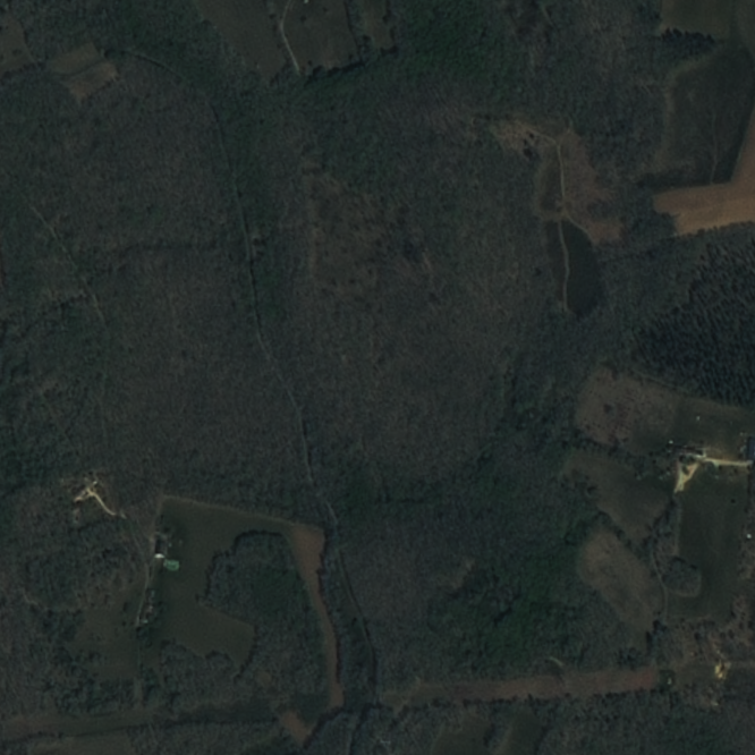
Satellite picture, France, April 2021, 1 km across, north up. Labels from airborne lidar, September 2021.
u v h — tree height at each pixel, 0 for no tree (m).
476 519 12
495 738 18
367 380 12
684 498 0
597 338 19
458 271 17
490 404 16
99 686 15
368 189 19
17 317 10
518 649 15
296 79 17
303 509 18
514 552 19
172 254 13
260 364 15
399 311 15
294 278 13
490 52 19
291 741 12
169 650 16
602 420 0
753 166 0
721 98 0
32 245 16
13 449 12
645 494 0
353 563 16
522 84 16
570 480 0
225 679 17
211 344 15
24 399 13
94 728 0
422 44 25
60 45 18
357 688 13
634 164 14
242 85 19
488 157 15
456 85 22
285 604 16
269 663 15
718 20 0
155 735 11
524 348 14
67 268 10
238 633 0
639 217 18
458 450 13
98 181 12
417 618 15
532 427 8
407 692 12
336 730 18
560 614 11
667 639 17
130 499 16
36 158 11
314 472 17
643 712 14
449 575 17
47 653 12
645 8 14
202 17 17
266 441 11
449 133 19
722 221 0
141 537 15
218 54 18
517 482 16
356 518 17
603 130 8
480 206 15
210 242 14
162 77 12
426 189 20
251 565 20
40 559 11
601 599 15
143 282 15
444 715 17
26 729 0
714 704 12
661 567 14
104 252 8
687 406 0
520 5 20
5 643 12
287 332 13
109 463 14
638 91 13
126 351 14
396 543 13
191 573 0
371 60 20
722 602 0
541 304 13
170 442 15
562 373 17
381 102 22
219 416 11
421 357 14
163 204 15
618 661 7
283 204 10
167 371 13
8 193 14
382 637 17
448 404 12
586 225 0
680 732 19
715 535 0
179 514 0
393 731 16
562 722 10
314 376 12
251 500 19
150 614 7
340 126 18
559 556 20
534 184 18
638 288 13
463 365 15
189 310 14
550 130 0
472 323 14
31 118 15
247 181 17
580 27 13
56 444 7
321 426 16
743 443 0
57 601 14
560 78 20
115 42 17
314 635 17
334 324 11
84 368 13
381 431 13
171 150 11
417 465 15
